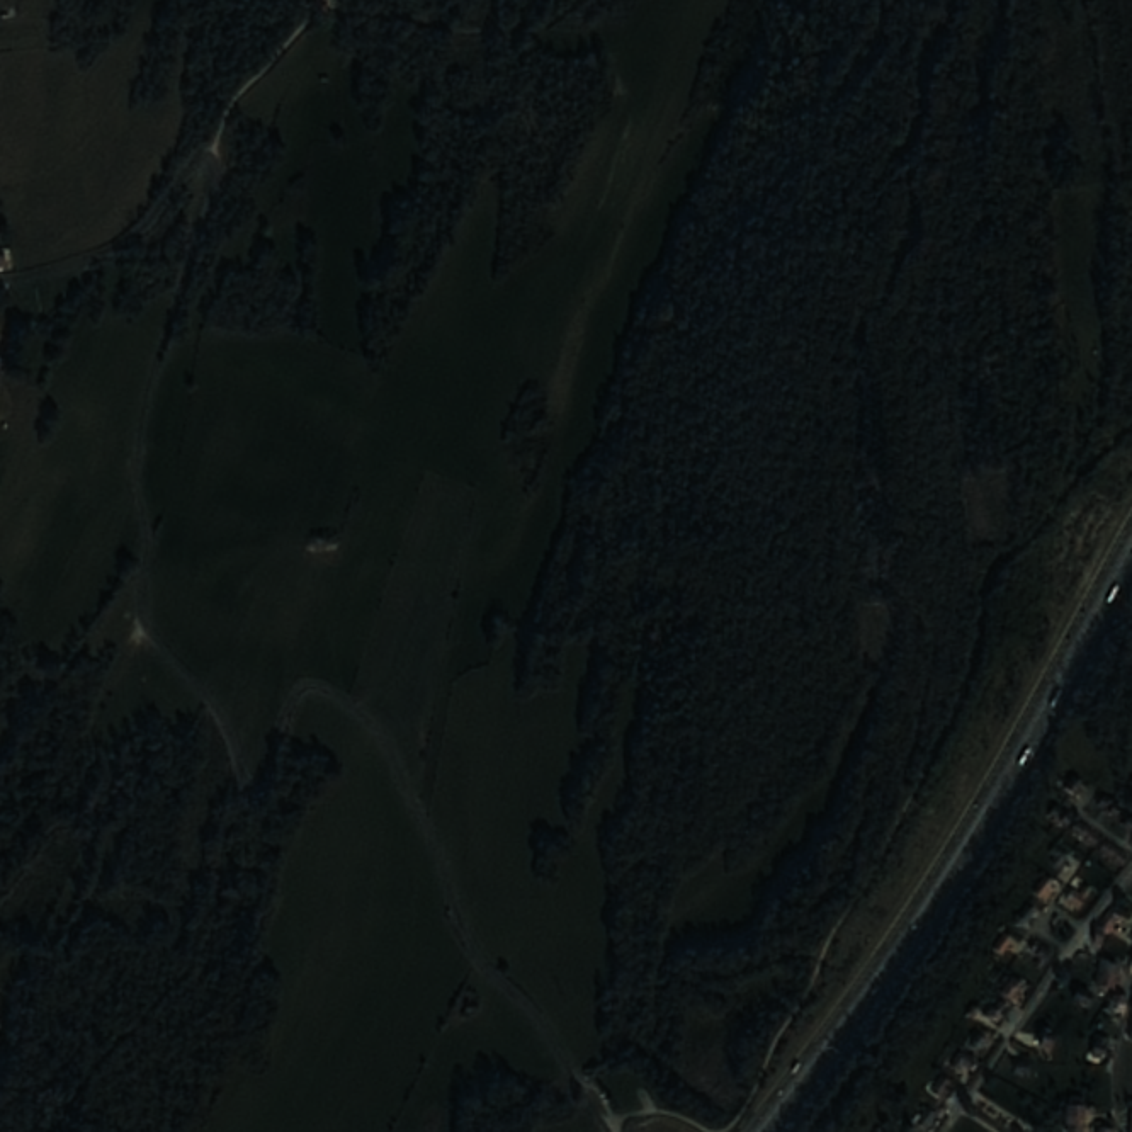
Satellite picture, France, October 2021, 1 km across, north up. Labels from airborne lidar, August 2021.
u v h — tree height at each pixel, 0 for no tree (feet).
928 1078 0
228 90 35
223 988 68
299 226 0
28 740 76
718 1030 0
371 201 0
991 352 56
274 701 0
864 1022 39
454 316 0
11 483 0
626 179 0
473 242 0
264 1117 0
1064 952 0
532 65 38
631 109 0
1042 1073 0
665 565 52
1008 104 64
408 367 0
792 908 66
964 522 53
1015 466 62
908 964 44
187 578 0
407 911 0
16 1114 58
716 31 24
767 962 28
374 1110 0
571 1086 0
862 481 71
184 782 43
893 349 47
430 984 0
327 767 30
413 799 0
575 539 19
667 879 46
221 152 0
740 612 31
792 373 35
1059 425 70
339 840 0
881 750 49
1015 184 60
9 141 0
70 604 0
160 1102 36
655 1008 32
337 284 0
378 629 0
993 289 51
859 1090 53
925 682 34
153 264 31
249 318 37
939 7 68
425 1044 0
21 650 39
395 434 0
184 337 47
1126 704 59
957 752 25
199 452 0
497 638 54
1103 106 40
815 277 38
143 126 0
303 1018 0
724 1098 0
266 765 0
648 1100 0
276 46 59
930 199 60
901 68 49
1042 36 72
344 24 45
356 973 0
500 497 0
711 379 36
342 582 0
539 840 43
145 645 0
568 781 0
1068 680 0
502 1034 0
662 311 64
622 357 30
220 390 0
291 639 0
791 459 37
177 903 54
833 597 55
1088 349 0
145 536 0
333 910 0
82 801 25
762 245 27
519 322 0
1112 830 0
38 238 0
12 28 0
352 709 0
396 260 50
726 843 52
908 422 46
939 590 31
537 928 0
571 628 27
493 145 38
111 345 0
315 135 0
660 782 62
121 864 46
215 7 43
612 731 58
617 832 52
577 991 0
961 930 60
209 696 0
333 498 0
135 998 23
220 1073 45
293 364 0
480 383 0
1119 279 61
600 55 49
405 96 0
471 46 0
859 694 54
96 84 0
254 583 0
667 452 37
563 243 0
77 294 40
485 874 0
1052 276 96
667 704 71
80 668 37
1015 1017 0
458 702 0
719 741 57
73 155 0
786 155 20
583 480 40
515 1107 46
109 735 0
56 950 65
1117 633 37
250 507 0
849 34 28
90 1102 27
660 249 0
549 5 39
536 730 0
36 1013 51
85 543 0
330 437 0
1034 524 37
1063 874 0
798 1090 0
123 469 0
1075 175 71
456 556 0
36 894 0
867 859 51
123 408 0
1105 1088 0
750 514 31
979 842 0
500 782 0
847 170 35
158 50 37
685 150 0
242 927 47
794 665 32
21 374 79
